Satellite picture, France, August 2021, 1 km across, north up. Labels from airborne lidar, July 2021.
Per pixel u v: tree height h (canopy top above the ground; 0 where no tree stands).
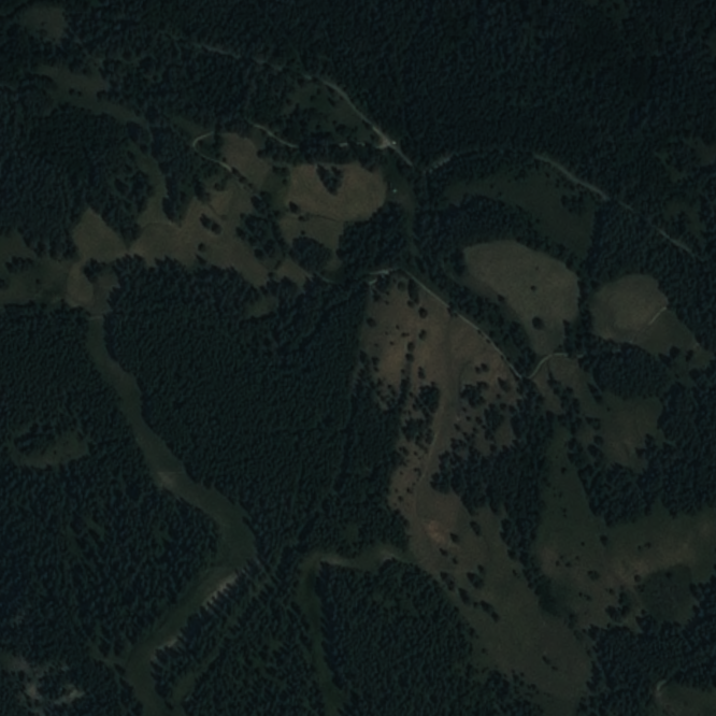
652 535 0
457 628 8
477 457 16
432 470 0
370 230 15
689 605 0
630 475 17
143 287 14
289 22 19
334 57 12
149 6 31
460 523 0
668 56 11
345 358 19
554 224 0
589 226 0
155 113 17
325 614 0
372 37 22
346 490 22
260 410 23
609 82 19
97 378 19
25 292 0
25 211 27
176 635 0
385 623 12
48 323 19
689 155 14
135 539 28
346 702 0
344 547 18
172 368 29
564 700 0
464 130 18
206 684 24
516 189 0
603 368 23
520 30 29
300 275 0
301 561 22
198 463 21
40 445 19
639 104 14
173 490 0
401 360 0
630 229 29
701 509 17
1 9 23
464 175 12
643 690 22
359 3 26
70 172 14
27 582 18
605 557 0
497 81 12
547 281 0
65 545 29
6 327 21
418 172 14
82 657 26
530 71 22
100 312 0
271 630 29
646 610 9
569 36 31
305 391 23
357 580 17
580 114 19
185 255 0
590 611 0
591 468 12
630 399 18
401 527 17
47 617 22
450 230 24
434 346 0
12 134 23
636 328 0
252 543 0
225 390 21
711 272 13
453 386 0
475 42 8
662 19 24
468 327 0
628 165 9
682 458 11
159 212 0
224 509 0
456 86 14
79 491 30
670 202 11
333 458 25
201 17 21
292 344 29
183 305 16
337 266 0
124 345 21
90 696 12
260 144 0
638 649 28
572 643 0
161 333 27
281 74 11
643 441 0
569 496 0
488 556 0
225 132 7
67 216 29
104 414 21
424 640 20
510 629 0
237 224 0
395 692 30
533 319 0
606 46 19
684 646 25
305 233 10
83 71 27
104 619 10
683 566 0
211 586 0
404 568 12
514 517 18
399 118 15
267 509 31
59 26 0
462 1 30
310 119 10
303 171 0
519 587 0
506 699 28
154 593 30
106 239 0
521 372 21
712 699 0
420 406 11
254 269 0
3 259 0
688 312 15
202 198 26
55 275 0
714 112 19
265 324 18
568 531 0
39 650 20
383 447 20
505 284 0
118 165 23
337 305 15
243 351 26
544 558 0
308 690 26
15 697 17
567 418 11
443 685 29
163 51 24
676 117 21
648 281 0
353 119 0
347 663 28
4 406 13
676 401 28
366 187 0
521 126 20
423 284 0
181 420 23
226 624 25
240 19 23
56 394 15
